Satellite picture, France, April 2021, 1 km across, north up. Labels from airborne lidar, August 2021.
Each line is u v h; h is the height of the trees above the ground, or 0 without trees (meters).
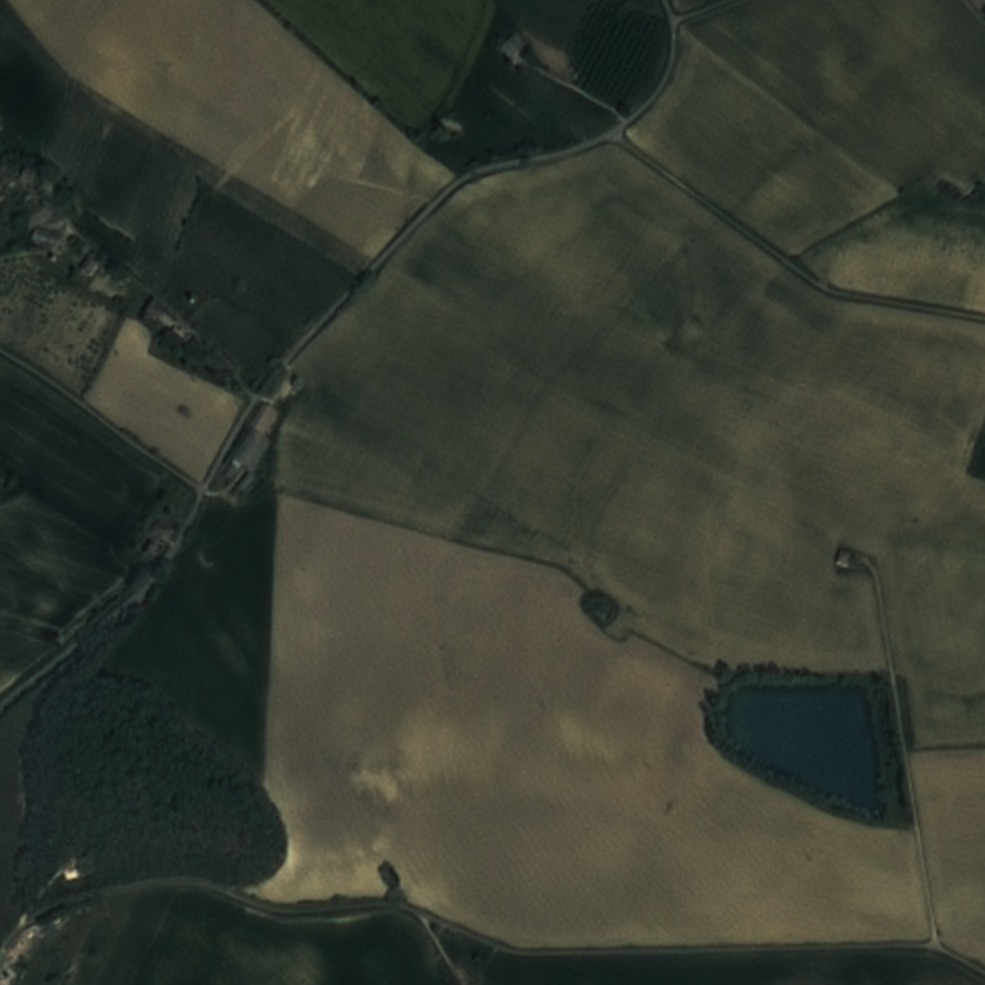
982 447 0
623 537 0
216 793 23
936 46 0
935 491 0
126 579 0
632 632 0
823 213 0
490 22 0
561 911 0
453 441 0
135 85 0
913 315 0
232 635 0
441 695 0
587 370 0
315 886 0
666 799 0
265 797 19
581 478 0
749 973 0
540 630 0
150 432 0
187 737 19
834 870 0
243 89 0
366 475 0
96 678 14
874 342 0
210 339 11
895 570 0
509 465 0
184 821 22
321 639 0
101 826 20
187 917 0
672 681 0
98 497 0
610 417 0
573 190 0
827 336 0
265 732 0
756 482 0
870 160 0
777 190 0
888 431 0
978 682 0
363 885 0
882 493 0
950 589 0
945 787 0
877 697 8
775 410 0
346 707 0
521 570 0
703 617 0
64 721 19
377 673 0
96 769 23
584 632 0
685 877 0
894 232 0
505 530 0
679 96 0
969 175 0
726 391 0
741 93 0
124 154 0
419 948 0
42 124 0
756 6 0
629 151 0
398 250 0
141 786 23
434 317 0
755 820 0
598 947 0
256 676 0
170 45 0
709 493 0
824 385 0
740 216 0
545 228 0
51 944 0
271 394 15
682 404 0
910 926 0
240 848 14
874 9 0
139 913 0
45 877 13
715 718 15
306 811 0
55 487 0
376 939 0
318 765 0
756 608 0
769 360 0
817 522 0
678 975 0
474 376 0
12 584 0
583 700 0
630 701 0
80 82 0
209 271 0
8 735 0
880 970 0
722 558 0
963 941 0
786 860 0
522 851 0
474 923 0
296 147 0
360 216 0
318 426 0
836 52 0
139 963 0
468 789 0
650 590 0
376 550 0
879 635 0
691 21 0
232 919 0
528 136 0
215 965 0
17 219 10
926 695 0
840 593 0
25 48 0
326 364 0
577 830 0
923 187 0
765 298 0
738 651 0
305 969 0
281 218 0
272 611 0
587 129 0
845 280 0
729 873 0
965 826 0
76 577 0
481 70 0
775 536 0
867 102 0
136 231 0
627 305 0
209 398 0
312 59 0
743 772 17
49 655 0
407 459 0
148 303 6
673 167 0
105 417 0
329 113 0
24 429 0
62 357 0
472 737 0
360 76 0
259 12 0
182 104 0
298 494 0
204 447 0
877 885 0
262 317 0
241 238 0
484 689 0
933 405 0
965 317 0
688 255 0
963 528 0
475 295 0
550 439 0
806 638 0
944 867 0
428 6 0
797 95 0
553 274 0
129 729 22
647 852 0
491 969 0
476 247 0
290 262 0
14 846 0
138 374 0
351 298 6
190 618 0
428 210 0
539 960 0
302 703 0
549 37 0
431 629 0
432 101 0
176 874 15
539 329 0
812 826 0
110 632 11
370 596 0
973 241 0
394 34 0
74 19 0
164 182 0
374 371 0
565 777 0
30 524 0
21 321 0
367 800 0
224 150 0
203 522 0
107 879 11
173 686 0
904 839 0
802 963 0
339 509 0
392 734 0
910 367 0
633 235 0
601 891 0
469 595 0
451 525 0
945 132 0
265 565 0
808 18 0
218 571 0
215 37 0
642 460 0
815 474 0
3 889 0
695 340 0
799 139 0
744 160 0
